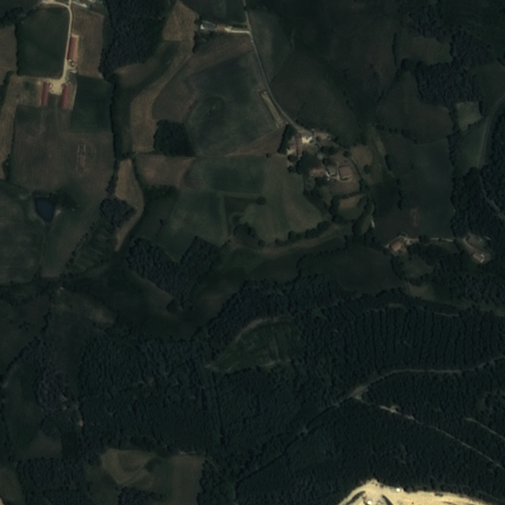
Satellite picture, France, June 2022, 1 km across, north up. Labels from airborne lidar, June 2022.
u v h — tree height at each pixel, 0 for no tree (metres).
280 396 36
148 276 18
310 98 0
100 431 18
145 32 11
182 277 24
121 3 14
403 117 0
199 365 31
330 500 21
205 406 26
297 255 0
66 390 20
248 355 0
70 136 0
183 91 0
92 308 0
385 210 0
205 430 26
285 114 0
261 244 14
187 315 0
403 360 23
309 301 24
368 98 0
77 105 0
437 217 0
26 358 21
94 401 20
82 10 0
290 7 0
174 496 0
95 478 0
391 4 0
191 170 0
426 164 0
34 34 0
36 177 0
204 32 6
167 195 7
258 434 40
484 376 21
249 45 0
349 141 0
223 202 0
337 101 0
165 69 0
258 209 0
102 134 0
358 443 21
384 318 22
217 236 0
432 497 0
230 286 0
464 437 16
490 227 24
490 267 22
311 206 0
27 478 7
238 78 0
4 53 0
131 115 0
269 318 16
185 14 0
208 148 0
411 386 23
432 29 22
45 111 0
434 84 22
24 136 0
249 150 0
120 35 17
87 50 0
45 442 0
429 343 23
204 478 5
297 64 0
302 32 0
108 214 21
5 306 0
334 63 0
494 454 19
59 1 0
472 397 26
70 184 0
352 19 0
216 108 0
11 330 0
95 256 0
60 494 22
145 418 25
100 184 0
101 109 0
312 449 33
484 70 0
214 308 0
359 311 21
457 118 10
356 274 0
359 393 0
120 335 11
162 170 0
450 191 0
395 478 21
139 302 0
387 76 0
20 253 0
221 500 29
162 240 0
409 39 0
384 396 26
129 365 19
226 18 0
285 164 0
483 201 14
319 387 26
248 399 26
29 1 0
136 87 0
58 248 0
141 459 0
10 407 0
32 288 0
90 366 21
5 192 0
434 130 0
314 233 19
